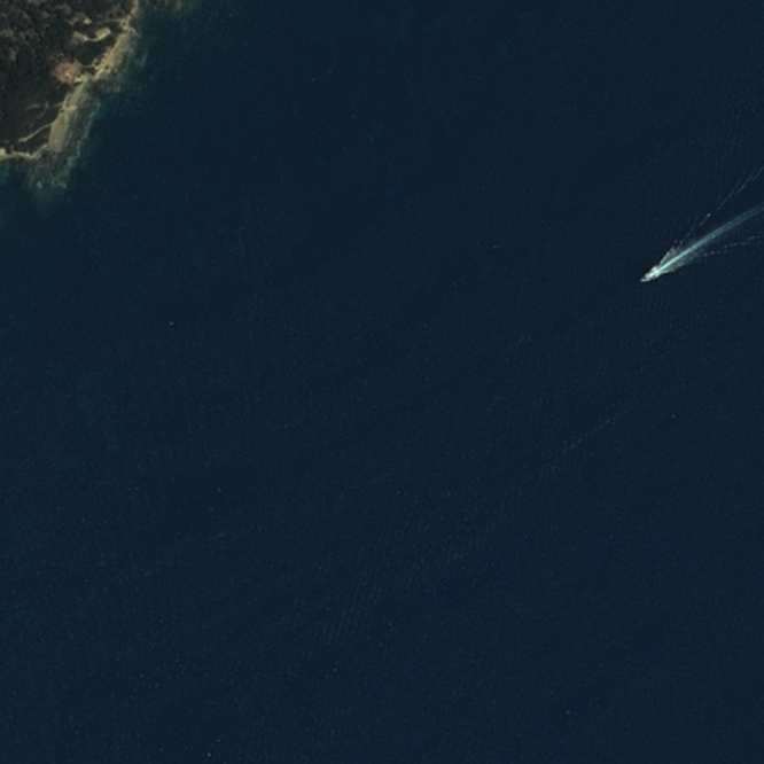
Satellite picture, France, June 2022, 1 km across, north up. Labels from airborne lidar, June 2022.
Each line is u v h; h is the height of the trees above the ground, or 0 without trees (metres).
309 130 0
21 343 0
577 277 0
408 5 0
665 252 0
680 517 0
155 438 0
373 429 0
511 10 0
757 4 0
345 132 0
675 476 0
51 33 11
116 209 0
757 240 0
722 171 0
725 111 0
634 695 0
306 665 0
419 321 0
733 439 0
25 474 0
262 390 0
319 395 0
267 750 0
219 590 0
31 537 0
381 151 0
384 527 0
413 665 0
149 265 0
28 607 0
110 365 0
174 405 0
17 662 0
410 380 0
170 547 0
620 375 0
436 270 0
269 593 0
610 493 0
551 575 0
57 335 0
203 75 0
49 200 0
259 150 0
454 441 0
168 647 0
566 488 0
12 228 0
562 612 0
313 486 0
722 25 0
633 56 0
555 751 0
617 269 0
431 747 0
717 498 0
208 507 0
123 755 0
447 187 0
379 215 0
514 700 0
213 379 0
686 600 0
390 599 0
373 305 0
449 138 0
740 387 0
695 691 0
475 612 0
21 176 0
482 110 0
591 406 0
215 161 0
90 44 6
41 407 0
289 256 0
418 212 0
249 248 0
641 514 0
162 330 0
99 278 0
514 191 0
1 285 0
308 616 0
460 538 0
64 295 0
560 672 0
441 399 0
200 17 0
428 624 0
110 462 0
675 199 0
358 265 0
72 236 0
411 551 0
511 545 0
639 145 0
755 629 0
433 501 0
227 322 0
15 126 11
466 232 0
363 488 0
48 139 0
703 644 0
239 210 0
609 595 0
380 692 0
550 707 0
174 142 0
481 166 0
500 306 0
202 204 0
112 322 0
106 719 0
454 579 0
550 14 0
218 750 0
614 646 0
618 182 0
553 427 0
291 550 0
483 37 0
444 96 0
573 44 0
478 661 0
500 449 0
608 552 0
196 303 0
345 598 0
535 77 0
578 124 0
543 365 0
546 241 0
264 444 0
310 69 0
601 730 0
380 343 0
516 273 0
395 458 0
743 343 0
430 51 0
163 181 0
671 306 0
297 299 0
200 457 0
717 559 0
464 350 0
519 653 0
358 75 0
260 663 0
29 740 0
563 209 0
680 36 0
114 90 0
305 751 0
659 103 0
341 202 0
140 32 0
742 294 0
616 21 0
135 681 0
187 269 0
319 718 0
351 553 0
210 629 0
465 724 0
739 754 0
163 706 0
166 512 0
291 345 0
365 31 0
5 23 10
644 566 0
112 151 0
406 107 0
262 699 0
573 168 0
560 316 0
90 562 0
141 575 0
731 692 0
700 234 0
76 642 0
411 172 0
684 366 0
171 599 0
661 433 0
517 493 0
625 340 0
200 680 0
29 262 0
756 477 0
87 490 0
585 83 0
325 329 0
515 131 0
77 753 0
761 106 0
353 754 0
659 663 0
